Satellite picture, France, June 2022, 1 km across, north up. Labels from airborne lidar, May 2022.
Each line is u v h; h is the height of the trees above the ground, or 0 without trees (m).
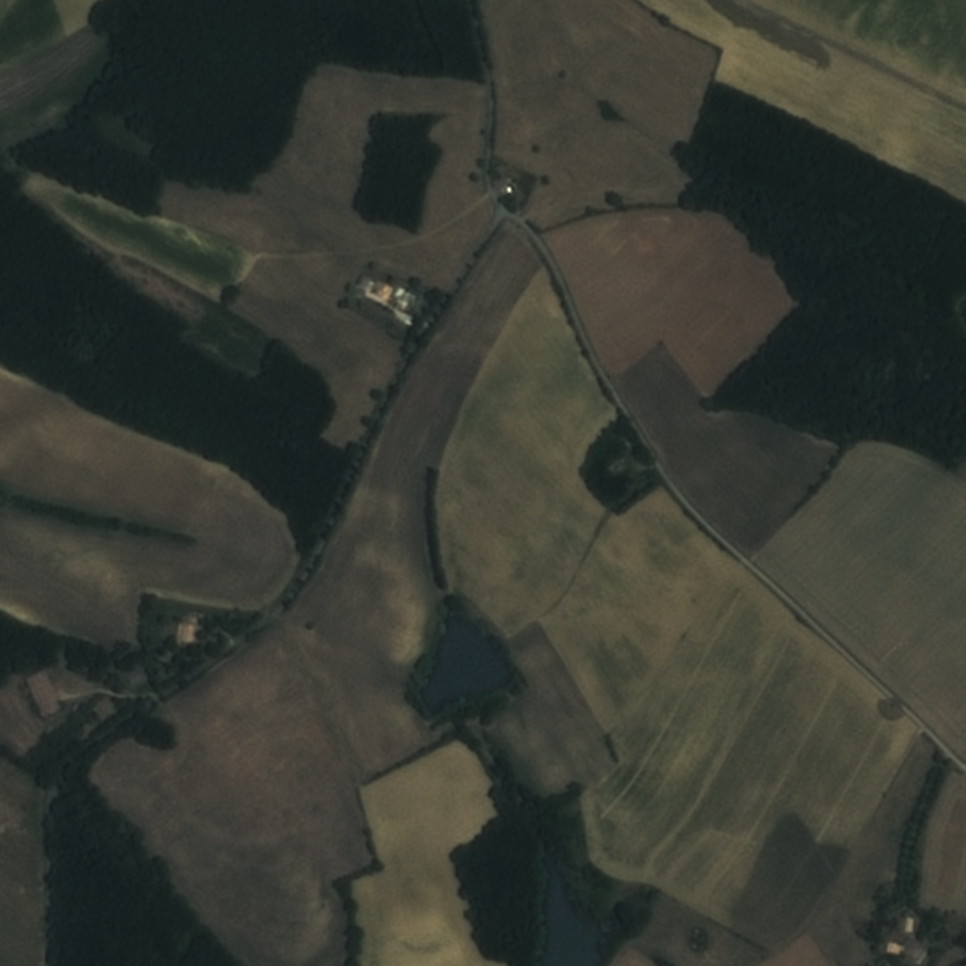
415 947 0
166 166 17
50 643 20
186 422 14
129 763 0
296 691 0
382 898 0
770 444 0
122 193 16
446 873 0
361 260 0
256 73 12
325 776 0
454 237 0
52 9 0
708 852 0
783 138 8
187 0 16
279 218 0
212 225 0
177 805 0
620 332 0
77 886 13
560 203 0
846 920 0
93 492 0
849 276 26
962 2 0
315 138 0
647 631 0
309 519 14
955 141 0
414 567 0
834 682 0
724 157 8
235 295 13
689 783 0
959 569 0
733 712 0
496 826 19
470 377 0
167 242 0
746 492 0
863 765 0
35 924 0
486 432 0
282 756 0
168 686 11
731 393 14
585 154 0
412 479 0
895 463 0
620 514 7
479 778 0
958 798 0
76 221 0
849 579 0
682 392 0
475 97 0
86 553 0
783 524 0
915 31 0
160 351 13
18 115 0
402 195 9
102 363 14
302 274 0
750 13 0
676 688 0
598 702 0
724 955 0
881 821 0
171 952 22
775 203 22
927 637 0
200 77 12
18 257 13
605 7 0
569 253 0
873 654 0
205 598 0
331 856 0
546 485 0
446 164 0
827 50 0
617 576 0
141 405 15
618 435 10
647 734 0
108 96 20
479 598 0
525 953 16
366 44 19
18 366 12
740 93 7
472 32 12
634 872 0
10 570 0
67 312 13
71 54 0
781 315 0
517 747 0
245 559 0
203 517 0
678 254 0
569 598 0
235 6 17
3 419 0
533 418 0
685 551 0
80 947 17
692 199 23
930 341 29
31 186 0
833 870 0
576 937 0
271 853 0
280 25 17
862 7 0
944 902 0
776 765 0
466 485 0
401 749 0
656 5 0
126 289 26
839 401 24
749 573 0
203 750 0
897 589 0
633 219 0
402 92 0
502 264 0
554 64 0
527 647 0
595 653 0
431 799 0
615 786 0
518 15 0
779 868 0
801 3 0
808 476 0
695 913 0
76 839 12
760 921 0
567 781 0
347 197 0
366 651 0
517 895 23
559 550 0
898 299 31
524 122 0
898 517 0
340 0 18
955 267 8
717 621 0
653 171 0
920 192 10
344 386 0
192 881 0
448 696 0
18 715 0
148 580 0
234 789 0
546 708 0
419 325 17
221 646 9
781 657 0
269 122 11
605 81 0
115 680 8
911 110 0
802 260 23
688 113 0
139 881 24
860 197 9
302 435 15
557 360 0
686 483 0
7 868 0
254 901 0
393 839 0
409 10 13
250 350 0
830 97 0
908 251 12
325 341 0
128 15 18
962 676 0
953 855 0
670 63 0
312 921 0
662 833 0
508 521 0
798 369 18
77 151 24
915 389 24
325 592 0
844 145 9
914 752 0
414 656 0
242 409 12
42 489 0
